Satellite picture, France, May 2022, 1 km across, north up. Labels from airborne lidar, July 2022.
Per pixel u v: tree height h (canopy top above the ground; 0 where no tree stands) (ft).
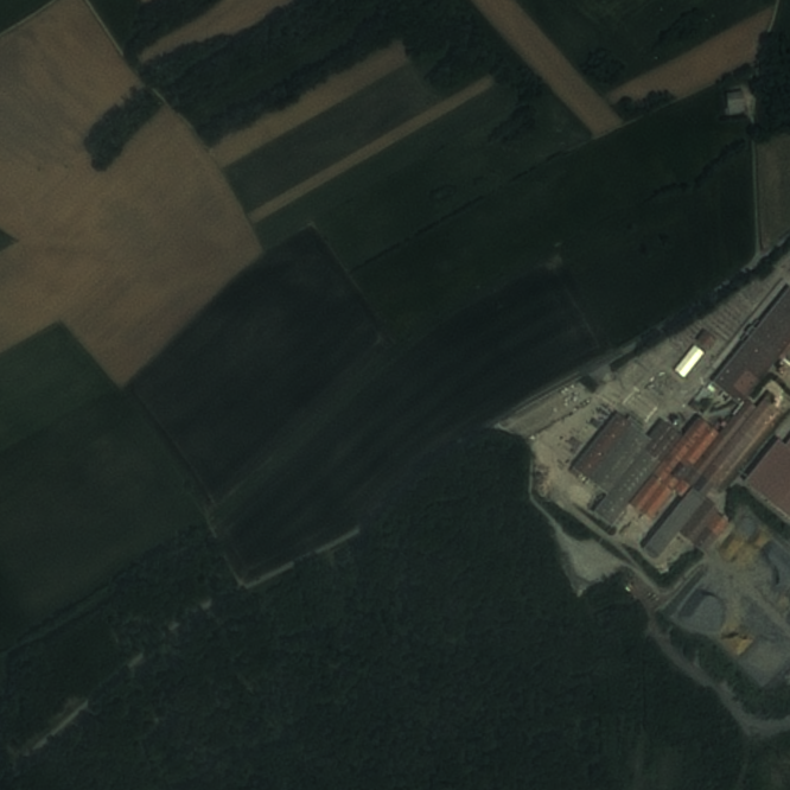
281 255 0
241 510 0
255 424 0
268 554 0
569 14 0
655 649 26
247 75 20
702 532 0
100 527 0
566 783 98
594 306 0
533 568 68
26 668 70
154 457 0
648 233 0
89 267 0
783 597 0
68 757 62
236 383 0
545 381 0
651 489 0
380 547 49
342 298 0
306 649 72
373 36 56
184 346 0
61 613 47
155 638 80
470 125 0
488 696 78
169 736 87
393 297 0
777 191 0
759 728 0
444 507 79
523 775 83
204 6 44
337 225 0
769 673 0
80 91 0
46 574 0
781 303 0
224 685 105
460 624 77
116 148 64
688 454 0
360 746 75
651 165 0
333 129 0
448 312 0
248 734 40
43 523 0
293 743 107
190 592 91
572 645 88
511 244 0
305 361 0
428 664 78
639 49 0
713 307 39
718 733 30
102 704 66
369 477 0
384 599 74
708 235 0
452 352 0
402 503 79
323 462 0
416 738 90
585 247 0
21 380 0
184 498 0
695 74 0
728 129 0
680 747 41
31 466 0
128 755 58
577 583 0
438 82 39
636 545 0
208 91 44
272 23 62
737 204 0
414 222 0
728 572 0
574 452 0
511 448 74
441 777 73
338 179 0
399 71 0
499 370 0
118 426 0
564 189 0
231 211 0
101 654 44
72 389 0
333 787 87
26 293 0
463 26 67
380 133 0
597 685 79
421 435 0
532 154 0
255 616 84
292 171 0
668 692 28
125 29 0
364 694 88
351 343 0
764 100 44
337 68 46
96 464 0
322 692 83
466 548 91
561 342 0
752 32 0
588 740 67
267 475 0
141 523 0
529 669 77
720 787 37
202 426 0
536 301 0
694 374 0
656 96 38
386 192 0
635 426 0
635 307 0
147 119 70
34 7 0
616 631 59
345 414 0
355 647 87
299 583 42
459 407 0
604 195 0
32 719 85
